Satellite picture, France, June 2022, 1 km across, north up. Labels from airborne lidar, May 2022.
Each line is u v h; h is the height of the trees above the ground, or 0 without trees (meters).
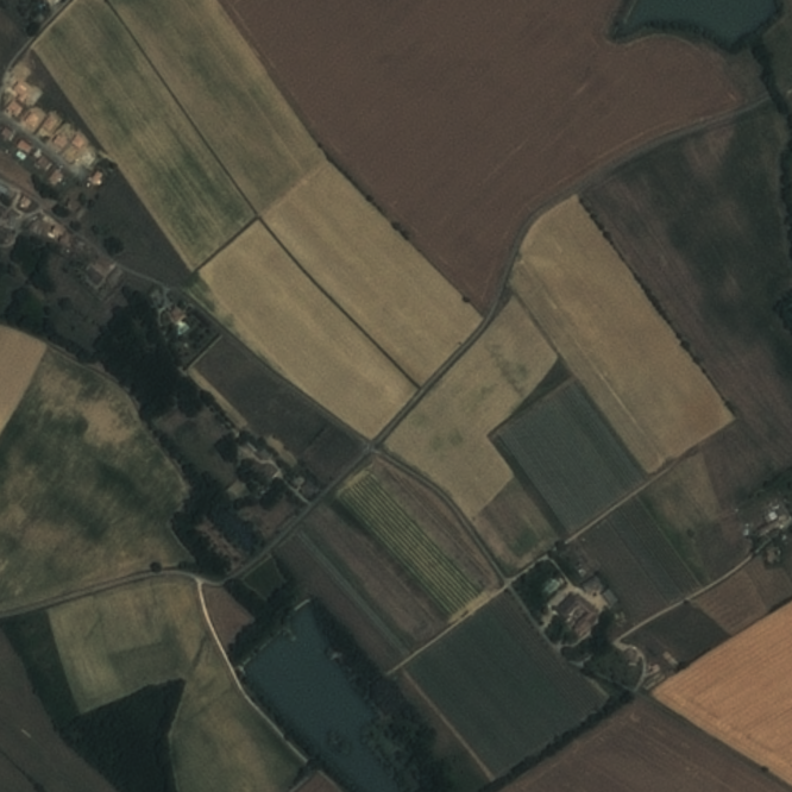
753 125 0
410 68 0
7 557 0
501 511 0
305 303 0
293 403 0
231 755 0
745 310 0
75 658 0
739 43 10
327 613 12
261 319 0
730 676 0
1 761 0
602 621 10
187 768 0
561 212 0
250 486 13
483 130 0
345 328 0
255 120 0
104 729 8
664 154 0
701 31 13
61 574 0
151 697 9
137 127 0
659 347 0
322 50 0
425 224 0
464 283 0
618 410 0
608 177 0
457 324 0
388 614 0
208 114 0
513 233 0
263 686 0
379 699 15
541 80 0
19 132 0
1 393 0
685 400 0
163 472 0
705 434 0
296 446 0
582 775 0
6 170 0
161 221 0
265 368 0
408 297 0
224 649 0
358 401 0
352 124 0
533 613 6
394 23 0
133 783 13
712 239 0
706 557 0
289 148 0
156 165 0
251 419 0
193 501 15
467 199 0
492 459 0
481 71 0
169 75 0
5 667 0
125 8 0
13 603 0
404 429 0
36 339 0
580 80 0
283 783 0
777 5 11
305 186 0
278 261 0
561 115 0
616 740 0
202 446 0
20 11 13
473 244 0
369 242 0
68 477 0
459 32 0
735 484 0
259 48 0
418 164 0
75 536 0
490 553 0
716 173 0
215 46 0
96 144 0
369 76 0
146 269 0
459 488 0
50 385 0
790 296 14
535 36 0
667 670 0
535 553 0
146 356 10
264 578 0
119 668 0
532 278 0
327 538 0
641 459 0
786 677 0
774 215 0
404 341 0
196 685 0
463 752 0
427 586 0
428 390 0
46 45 0
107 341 13
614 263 0
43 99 0
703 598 0
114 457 0
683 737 0
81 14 0
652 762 0
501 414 0
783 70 0
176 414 0
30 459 0
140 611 0
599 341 0
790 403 0
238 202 0
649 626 0
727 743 0
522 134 0
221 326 0
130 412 0
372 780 0
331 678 0
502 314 0
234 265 0
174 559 0
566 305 0
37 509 0
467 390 0
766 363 0
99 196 6
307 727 0
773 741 0
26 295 18
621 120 0
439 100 0
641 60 0
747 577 0
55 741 0
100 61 0
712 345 0
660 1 0
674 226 0
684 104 0
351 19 0
